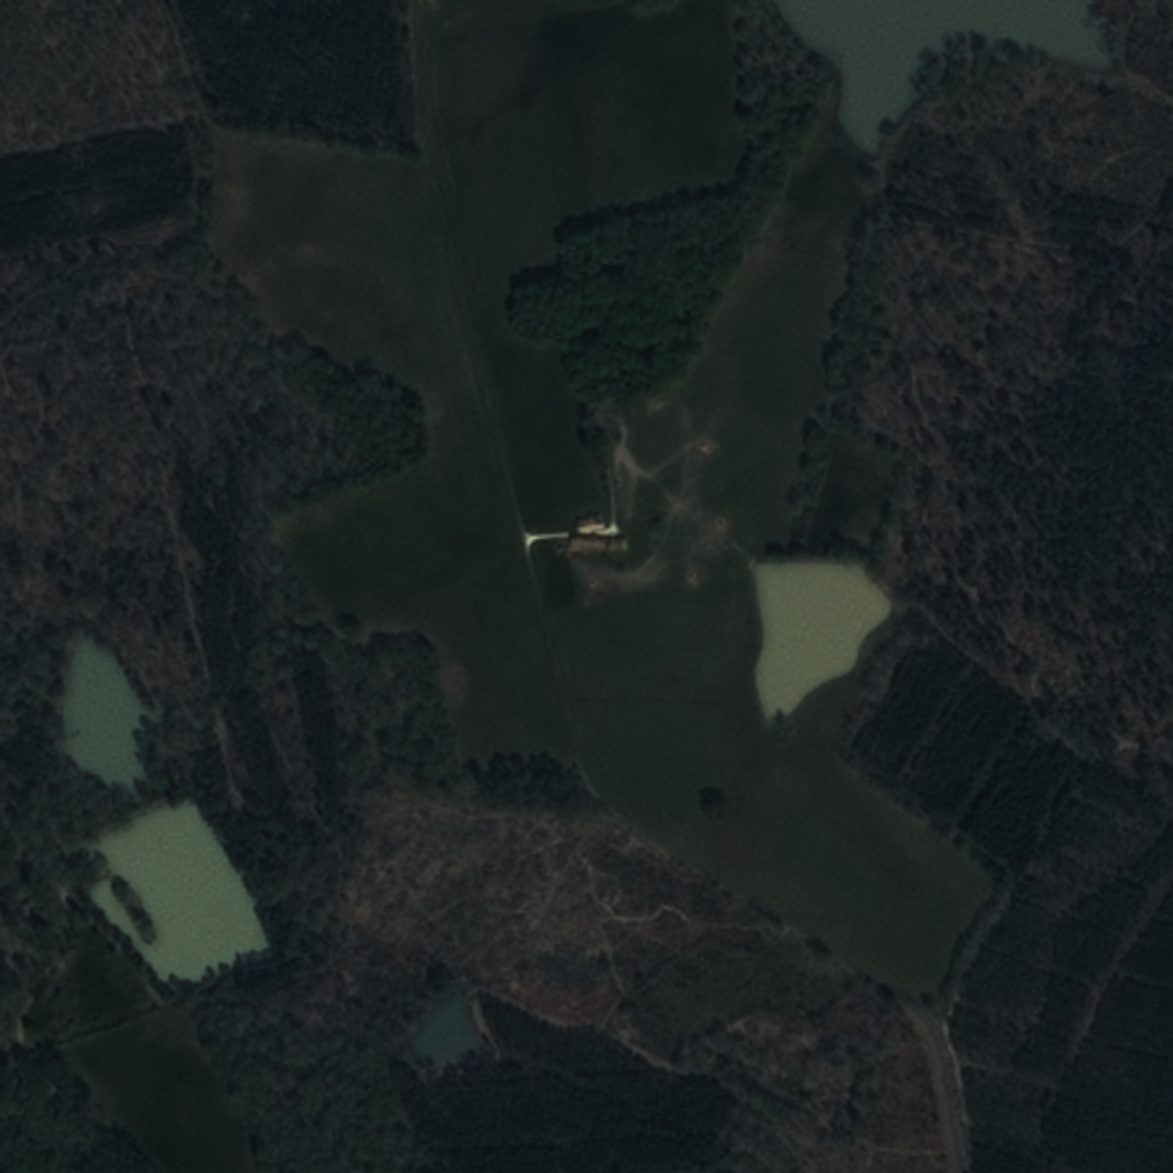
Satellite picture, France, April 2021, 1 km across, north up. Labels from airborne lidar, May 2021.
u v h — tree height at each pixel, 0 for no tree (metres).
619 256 25
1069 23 0
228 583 13
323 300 0
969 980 12
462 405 0
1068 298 12
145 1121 0
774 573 0
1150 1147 13
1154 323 15
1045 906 8
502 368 0
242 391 13
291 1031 15
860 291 19
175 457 11
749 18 11
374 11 13
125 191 7
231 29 12
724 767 0
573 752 0
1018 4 0
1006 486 10
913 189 7
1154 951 8
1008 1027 9
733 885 0
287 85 11
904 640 17
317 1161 16
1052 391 9
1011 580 17
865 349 17
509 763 0
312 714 14
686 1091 12
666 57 0
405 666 20
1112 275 9
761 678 0
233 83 13
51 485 14
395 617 0
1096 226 8
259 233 0
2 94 18
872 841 0
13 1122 12
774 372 0
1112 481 14
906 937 0
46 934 26
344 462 18
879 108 0
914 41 0
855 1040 10
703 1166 19
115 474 11
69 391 12
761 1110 13
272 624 17
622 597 0
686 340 19
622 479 0
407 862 0
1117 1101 11
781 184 20
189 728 14
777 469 0
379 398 11
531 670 0
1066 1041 13
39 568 8
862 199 0
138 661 16
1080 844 12
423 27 0
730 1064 11
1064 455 16
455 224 0
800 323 0
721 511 0
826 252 0
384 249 0
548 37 0
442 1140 13
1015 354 13
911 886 0
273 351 19
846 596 0
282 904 7
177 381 14
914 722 11
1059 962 11
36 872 23
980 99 19
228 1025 19
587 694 0
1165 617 19
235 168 0
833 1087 8
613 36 0
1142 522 17
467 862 0
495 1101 10
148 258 6
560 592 0
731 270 21
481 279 0
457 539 0
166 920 0
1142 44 6
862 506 0
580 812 24
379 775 11
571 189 0
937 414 12
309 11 11
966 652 7
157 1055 0
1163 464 16
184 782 21
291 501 18
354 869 7
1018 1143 6
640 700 0
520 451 0
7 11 17
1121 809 10
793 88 16
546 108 0
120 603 24
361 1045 10
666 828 0
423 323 0
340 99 10
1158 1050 9
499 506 0
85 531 7
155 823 0
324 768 13
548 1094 11
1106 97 14
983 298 12
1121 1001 9
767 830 0
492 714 0
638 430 0
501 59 0
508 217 0
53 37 17
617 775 0
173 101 15
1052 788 8
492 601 0
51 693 10
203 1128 0
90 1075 0
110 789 16
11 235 10
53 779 19
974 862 13
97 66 14
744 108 8
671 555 0
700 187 0
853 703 0
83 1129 15
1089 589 10
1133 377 17
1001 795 9
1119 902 11
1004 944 13
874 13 0
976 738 9
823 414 12
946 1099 0
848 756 9
